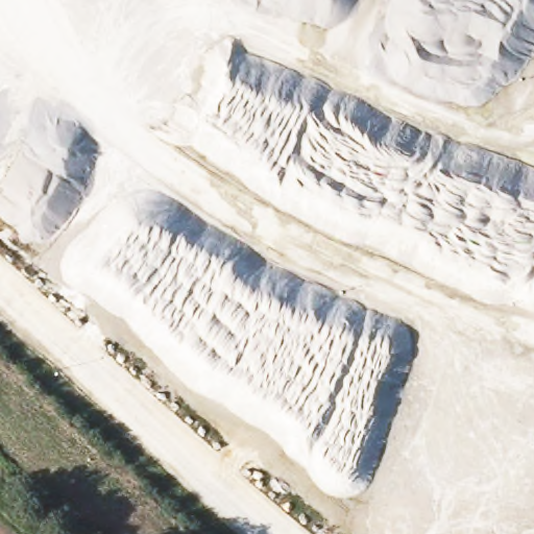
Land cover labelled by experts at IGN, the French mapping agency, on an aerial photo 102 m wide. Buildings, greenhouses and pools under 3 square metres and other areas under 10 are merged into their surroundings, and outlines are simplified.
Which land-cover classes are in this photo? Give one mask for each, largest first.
<instances>
[{"label":"pervious surface","instance_id":"1","mask_svg":"<svg viewBox=\"0 0 534 534\"><path fill-rule=\"evenodd\" d=\"M0 321L6 323V327L21 342H25L35 357L46 359L48 365L54 369V375L71 378L77 394H83L98 409L113 415L115 421L123 423L129 430V434L138 440V444H142L146 453L159 459L165 471L171 474L186 490L196 492L200 501L219 517L238 519L240 530L244 534H534V0H0Z\"/></svg>","mask_w":534,"mask_h":534},{"label":"brushwood","instance_id":"2","mask_svg":"<svg viewBox=\"0 0 534 534\"><path fill-rule=\"evenodd\" d=\"M0 359L15 363L29 380H33L40 386V390L46 396L54 398L56 407L65 413L71 428L83 432L88 440L106 459H111L113 463H119L123 459L138 480L150 482L156 488L159 496L169 499L177 507V511L186 515L184 526L177 530L179 534H244L240 530L238 519L219 517L200 501L196 492L186 490L171 474L165 471L159 459L146 453L142 444H138V440L129 434V430L123 423L115 421L113 415L98 409L83 394H77L71 378L54 375V369L48 365L46 359L35 357L25 342H21L6 327V323L0 321ZM0 457L6 463H10V476L15 478L13 484L0 488V534H58L60 519L54 513H35L38 499L27 490L33 471L25 469L0 442Z\"/></svg>","mask_w":534,"mask_h":534},{"label":"agricultural land","instance_id":"3","mask_svg":"<svg viewBox=\"0 0 534 534\"><path fill-rule=\"evenodd\" d=\"M0 442L25 469L33 471L73 469L77 465L100 469L104 474V480L98 490H123V494L134 505L129 524L136 526L140 534H179L177 530L184 526L186 515L177 511V507L169 499L159 496L156 488L150 482L138 480L123 459L119 463H113L111 459H106L88 440L83 432L71 428L65 413L56 407L54 398L46 396L40 390V386L33 380H29L15 363L0 359Z\"/></svg>","mask_w":534,"mask_h":534},{"label":"deciduous trees","instance_id":"4","mask_svg":"<svg viewBox=\"0 0 534 534\"><path fill-rule=\"evenodd\" d=\"M104 480V474L100 469L77 465L73 469L33 471L27 490L38 499L35 513H54L60 519L58 534H140L136 526L129 524L134 505L123 494V490H98Z\"/></svg>","mask_w":534,"mask_h":534},{"label":"herbaceous vegetation","instance_id":"5","mask_svg":"<svg viewBox=\"0 0 534 534\"><path fill-rule=\"evenodd\" d=\"M15 478L10 476V463H6L0 457V488L13 484Z\"/></svg>","mask_w":534,"mask_h":534}]
</instances>
